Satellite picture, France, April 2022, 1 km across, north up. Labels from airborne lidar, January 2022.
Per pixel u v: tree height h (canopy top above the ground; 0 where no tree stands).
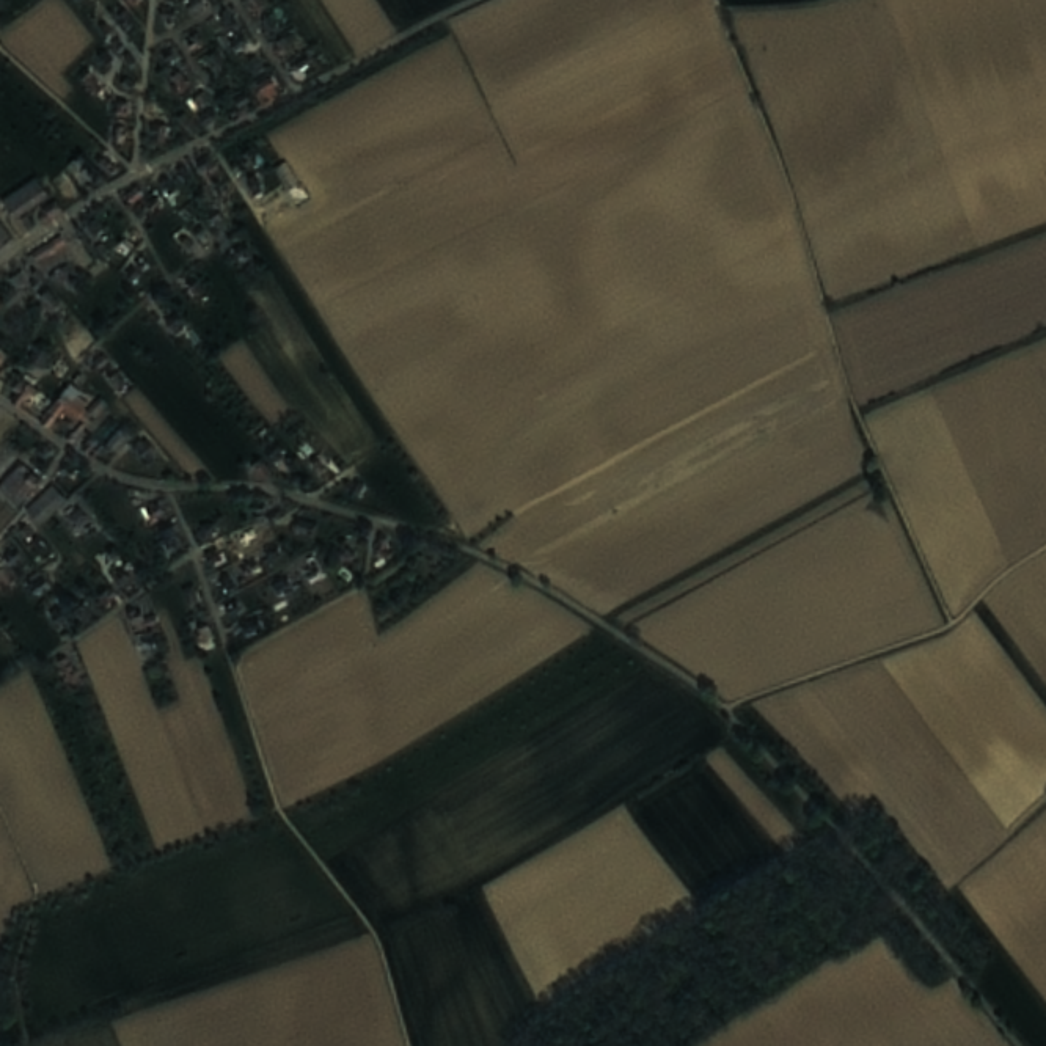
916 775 0
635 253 0
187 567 0
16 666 14
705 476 0
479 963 0
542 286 0
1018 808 0
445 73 0
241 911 0
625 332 0
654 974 31
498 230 0
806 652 0
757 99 12
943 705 0
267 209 0
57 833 0
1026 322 0
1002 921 0
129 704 0
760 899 28
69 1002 0
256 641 0
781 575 0
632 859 0
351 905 0
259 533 0
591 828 0
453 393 0
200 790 0
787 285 0
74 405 0
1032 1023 0
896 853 27
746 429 0
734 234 0
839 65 0
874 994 0
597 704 0
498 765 0
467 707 0
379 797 0
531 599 0
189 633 9
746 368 0
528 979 0
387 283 0
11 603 0
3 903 0
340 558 9
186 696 0
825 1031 0
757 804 0
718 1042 0
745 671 0
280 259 0
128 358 0
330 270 0
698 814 0
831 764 0
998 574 0
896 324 0
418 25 0
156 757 0
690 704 0
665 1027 27
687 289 0
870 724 0
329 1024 0
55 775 0
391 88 0
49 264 0
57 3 0
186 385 0
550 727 0
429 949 0
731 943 25
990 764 0
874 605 0
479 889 0
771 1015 0
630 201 0
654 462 0
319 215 0
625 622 0
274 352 0
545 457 0
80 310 0
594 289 0
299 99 11
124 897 0
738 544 0
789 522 0
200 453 0
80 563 0
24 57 0
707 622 0
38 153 0
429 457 0
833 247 0
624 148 0
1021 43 0
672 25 0
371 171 0
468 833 0
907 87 0
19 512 0
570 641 0
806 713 0
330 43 0
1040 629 0
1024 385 0
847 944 21
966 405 0
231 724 0
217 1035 0
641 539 0
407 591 12
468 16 0
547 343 0
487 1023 0
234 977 0
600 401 0
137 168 0
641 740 0
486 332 0
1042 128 0
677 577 0
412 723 0
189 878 0
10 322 11
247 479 0
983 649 0
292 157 0
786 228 0
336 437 0
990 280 0
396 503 0
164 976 0
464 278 0
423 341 0
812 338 0
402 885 0
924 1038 0
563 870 0
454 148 0
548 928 0
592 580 0
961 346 0
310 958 0
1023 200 0
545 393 0
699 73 0
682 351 0
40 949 0
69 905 0
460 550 12
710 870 0
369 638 0
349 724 0
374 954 0
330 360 0
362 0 0
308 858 0
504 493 0
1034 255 0
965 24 0
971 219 0
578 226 0
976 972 21
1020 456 0
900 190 0
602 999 26
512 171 0
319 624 0
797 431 0
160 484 0
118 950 0
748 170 0
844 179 0
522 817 0
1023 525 0
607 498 0
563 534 0
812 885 25
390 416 0
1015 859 0
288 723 0
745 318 0
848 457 0
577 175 0
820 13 0
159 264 0
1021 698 0
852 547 0
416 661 0
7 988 28
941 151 0
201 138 0
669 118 0
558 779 0
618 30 0
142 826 0
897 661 0
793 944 29
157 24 0
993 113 0
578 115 0
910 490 0
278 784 0
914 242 0
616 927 0
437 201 0
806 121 0
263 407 0
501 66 0
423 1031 0
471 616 0
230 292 0
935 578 0
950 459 0
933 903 32
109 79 0
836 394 0
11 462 0
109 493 0
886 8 0
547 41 0
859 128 0
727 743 0
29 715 0
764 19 0
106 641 0
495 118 0
